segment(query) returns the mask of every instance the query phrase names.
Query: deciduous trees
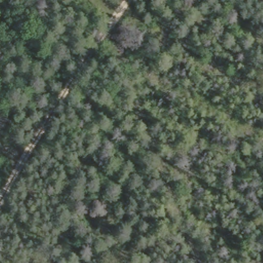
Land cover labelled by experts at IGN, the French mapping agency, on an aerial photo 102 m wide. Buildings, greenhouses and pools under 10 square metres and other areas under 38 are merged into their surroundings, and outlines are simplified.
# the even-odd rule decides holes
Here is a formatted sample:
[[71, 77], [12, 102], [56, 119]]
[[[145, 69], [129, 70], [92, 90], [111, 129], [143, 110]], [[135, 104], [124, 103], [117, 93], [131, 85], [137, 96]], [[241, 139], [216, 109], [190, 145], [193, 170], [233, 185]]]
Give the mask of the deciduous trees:
[[31, 14], [29, 17], [26, 12], [22, 12], [13, 15], [12, 11], [16, 10], [16, 6], [9, 3], [10, 0], [0, 0], [0, 59], [6, 62], [15, 55], [21, 55], [22, 63], [28, 59], [32, 60], [25, 52], [26, 41], [40, 37], [45, 30], [40, 18], [37, 20], [35, 15]]

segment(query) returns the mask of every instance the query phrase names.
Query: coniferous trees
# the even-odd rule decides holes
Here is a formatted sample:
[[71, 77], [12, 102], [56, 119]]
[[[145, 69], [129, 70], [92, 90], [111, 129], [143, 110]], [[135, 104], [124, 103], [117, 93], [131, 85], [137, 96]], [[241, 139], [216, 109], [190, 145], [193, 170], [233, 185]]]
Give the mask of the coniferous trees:
[[263, 263], [263, 0], [10, 0], [9, 3], [16, 6], [16, 10], [12, 11], [13, 15], [22, 12], [26, 12], [29, 17], [31, 14], [35, 15], [37, 20], [40, 18], [45, 30], [40, 37], [26, 41], [25, 52], [32, 60], [28, 59], [22, 63], [21, 55], [15, 55], [6, 62], [0, 59], [0, 263]]

